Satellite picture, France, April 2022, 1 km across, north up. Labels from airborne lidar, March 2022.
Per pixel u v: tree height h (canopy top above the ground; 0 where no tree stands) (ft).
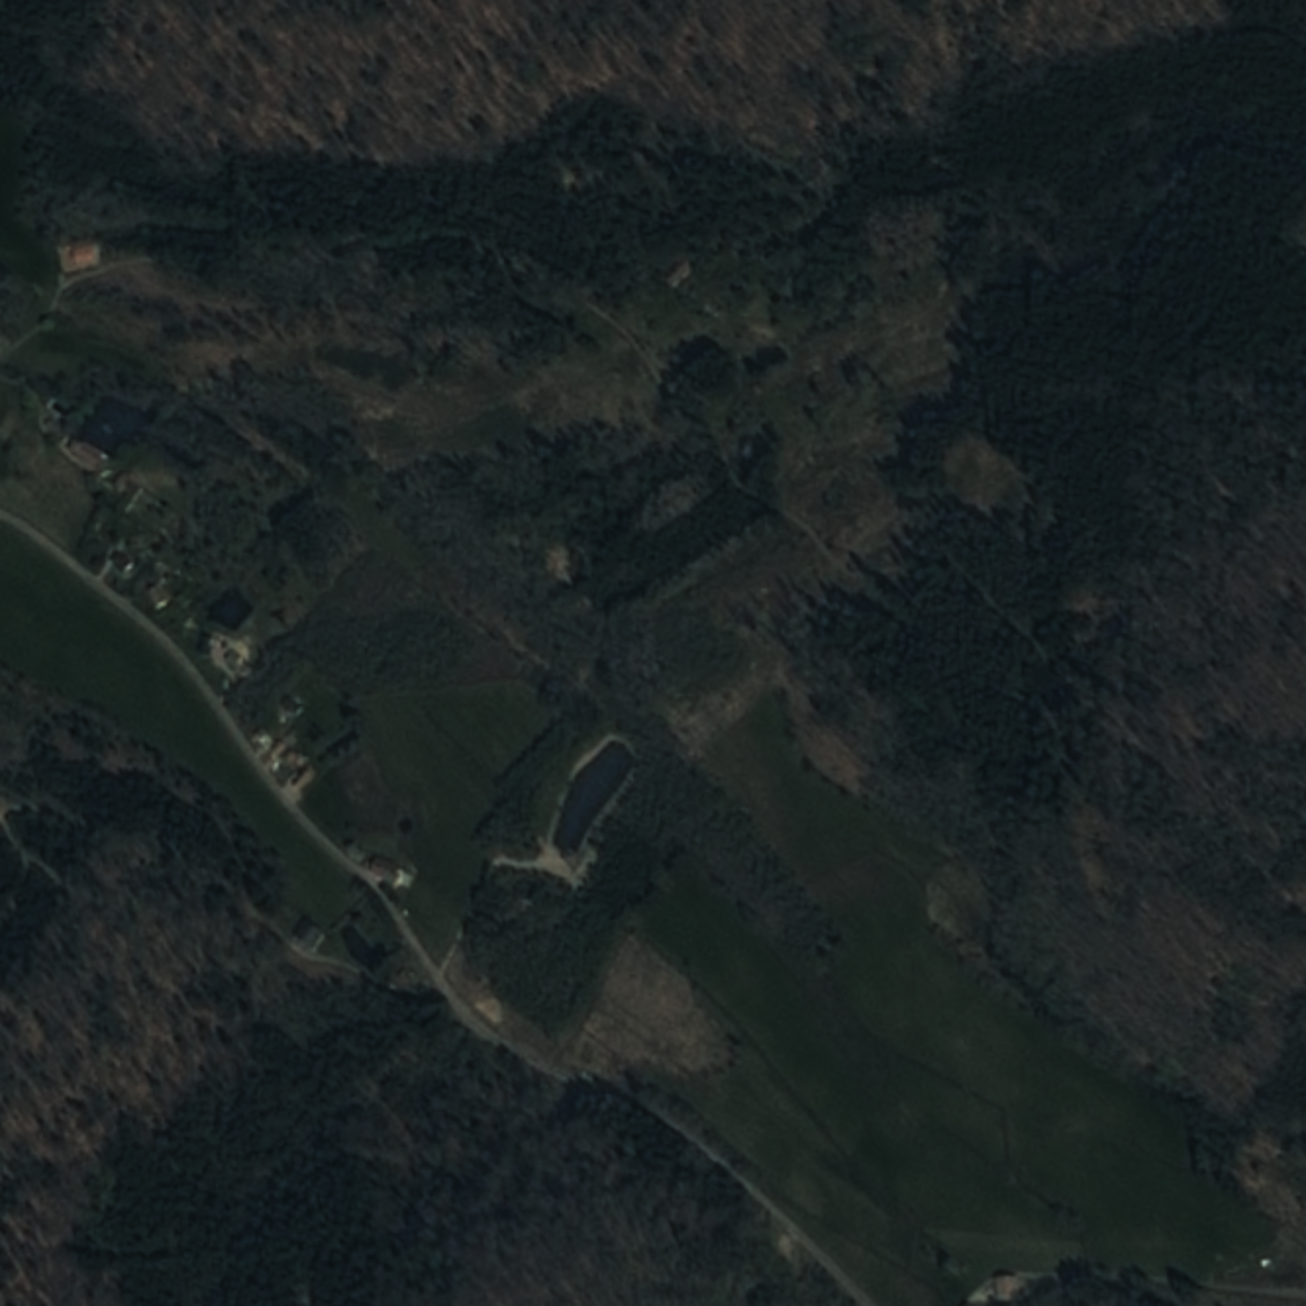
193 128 99
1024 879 80
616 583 37
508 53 104
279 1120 70
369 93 91
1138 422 74
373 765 0
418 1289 72
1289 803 63
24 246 0
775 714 0
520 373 66
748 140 87
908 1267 0
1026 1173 0
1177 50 62
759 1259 32
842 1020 0
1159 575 98
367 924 56
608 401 0
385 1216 83
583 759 0
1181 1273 0
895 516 0
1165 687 91
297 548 71
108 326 0
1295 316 69
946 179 64
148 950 84
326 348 0
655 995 0
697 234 44
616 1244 65
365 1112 38
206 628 0
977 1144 0
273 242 92
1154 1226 0
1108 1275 48
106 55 98
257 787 0
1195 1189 0
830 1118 0
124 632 0
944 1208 0
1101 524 85
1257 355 104
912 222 118
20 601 0
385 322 82
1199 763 76
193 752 0
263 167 83
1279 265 106
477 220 55
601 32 81
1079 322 79
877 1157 0
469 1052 29
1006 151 112
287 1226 69
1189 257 80
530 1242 83
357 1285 83
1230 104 84
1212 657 101
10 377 29
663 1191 77
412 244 105
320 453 122
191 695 0
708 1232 56
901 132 84
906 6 65
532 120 93
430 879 0
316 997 50
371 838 0
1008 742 96
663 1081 0
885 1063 0
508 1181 97
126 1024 73
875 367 0
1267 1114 79
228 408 41
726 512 52
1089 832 0
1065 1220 45
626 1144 38
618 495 82
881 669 93
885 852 0
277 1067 89
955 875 0
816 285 83
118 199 62
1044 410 87
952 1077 0
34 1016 90
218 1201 50
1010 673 87
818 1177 0
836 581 0
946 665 94
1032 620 97
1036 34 87
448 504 53
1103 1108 0
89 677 0
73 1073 79
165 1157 70
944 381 0
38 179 33
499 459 0
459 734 0
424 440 0
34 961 29
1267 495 81
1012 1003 41
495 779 0
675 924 0
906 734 72
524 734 0
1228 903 81
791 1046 0
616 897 27
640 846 25
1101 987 82
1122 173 75
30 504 0
